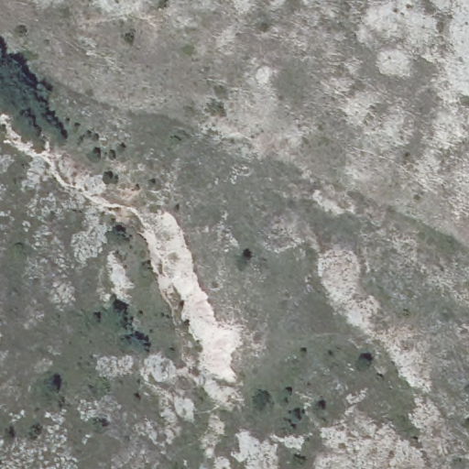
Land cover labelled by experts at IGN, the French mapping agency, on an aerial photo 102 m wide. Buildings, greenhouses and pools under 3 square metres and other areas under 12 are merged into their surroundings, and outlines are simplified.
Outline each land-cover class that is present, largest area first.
<instances>
[{"label":"bare soil","instance_id":"1","mask_svg":"<svg viewBox=\"0 0 469 469\"><path fill-rule=\"evenodd\" d=\"M0 37L4 38L9 53L24 55L27 68L31 73H35L37 79H48L53 84L49 108L57 114L68 132L66 143L60 148L51 132H42L46 143L44 150L37 152L31 143H24L22 136L13 130L11 117L0 114V125H4L7 132L5 143L13 145L31 158L27 176L20 183V191H26L27 187L35 191L33 200L27 203V214L40 220V227L35 233V244L31 240L16 242V247H33L31 255L26 258L24 271L27 278H40V291L48 293L55 308L59 311L70 308L77 317H92L95 313V319H101V308H110L112 300H123L128 306V313L132 317L136 332L145 333L150 339L148 357L143 354H136L134 357L106 355L97 359V372L104 377H117L123 374L143 377V383L139 387V392L134 394V398H148L152 394L158 396L159 409L163 410L161 414L167 420V438L163 442L156 440L152 421L137 423L136 432L130 436V449L114 454L108 462H99L97 469H158L161 456L167 454V445L174 442V436H180L181 429L176 418H194V403L191 398L198 387L205 388V392L214 399L213 405L209 407V429L202 438L205 458L200 464V469H278V447L286 445L289 449H300L304 440L300 436L269 434L264 442H258L249 432H238V453L227 454L222 458L214 453L216 443L220 442V436L224 434V421H220V410L242 409L244 405V396L238 390L244 387V383L236 376L260 365L264 355L269 337L267 322L258 324L253 332L247 330L244 328L247 319L244 308L249 306L256 311H264V306H258V300L266 299L262 293V282L266 280L267 275L264 269L249 264V249L242 251V256L236 258V262L233 258H222V253H229L238 247V240L231 233V227L225 225L229 213H222L218 225L194 227L187 229L185 233L181 231L185 225L191 224L194 209L202 200L196 196H183L176 187L181 161L176 158L174 145L185 141V132L178 130L180 123L196 126L198 137H203L207 130H216L213 137L214 147L222 152L225 150L233 158L255 159L256 156H269L295 165L302 172L304 180L321 181V189L313 194L310 191H299V185L291 183L289 187L293 191V200H313L321 209L332 211L333 214L350 213L354 214L355 218H368L376 225L377 231L359 233V238L363 242H376L381 236L385 242L394 245L398 253H403L410 262L416 264V267H420V271L427 275L431 286L447 288L453 295L454 302L462 306L469 304V0H0ZM121 143H125L126 150L125 154H121L117 159H88V154L93 148L112 150ZM101 211L114 216L119 224L125 225L126 234H130V242L115 244L114 240L106 238L108 225L99 224ZM273 229H280V233L267 234V238H282L284 234H288L291 242L277 247L262 242L260 247L269 253H286L299 244L308 242L315 255L319 256L317 275L321 277L322 286L330 293L332 299L330 304L333 306V319L339 326L335 339L339 344H352L361 352L355 368L365 370L368 366L374 365L379 374H385V368L394 361L398 365L399 376L409 381L410 387H418L429 392L432 365L425 363L421 355L429 352V343L418 341L412 350L405 352L401 350V341H407L412 337V332L407 326H392L385 332H374L370 315L376 313L379 302L376 297H368L357 302L354 300L355 289L359 288L357 278L361 269L354 251L333 245L332 249L324 253L308 220H300L299 214L289 207L282 216H275L271 220ZM366 398V388H363L354 396H346L348 409L341 414V420H335L330 427L322 429V440L328 445V449L315 460V469H451L454 458L447 453V440H453V432L449 431L447 423L440 418V412L432 403H423L421 398L414 399L416 410L409 414V420L416 429H420L421 447L416 449L407 440L399 438L392 423L376 427L374 421L368 420L361 410H357V403ZM121 409V403H117L112 396H103L97 401L81 399L77 412L81 414V420H112V412ZM48 420L53 421V425H48V429L40 432L35 440H0V469H77L79 460L77 456H71V445L66 442L68 429L62 425L66 416L64 409L44 414Z\"/></svg>","mask_w":469,"mask_h":469},{"label":"herbaceous vegetation","instance_id":"2","mask_svg":"<svg viewBox=\"0 0 469 469\"><path fill-rule=\"evenodd\" d=\"M178 130L185 132V141L174 145L176 158L181 161L176 187L183 196H196L202 200L194 209L191 224L185 225L181 231L185 233L187 229L194 227L218 225L222 213H229L225 225L231 227V233L238 240V247L229 253H222V258H233L236 262V258L242 256V251L249 249V264L264 269L267 275L266 280L262 282V293L266 299L258 300V306H264V311H256L249 306L244 308L247 319L244 328L247 330L253 332L258 324L267 322L269 337L264 355L260 365L236 376L244 383V387L238 390L244 396V405L242 409L220 410V421H224V434L220 436V442L216 443L214 453L222 458L227 454L238 453V432H249L258 442H264L269 434L300 436L304 440L300 449H289L286 445L278 447V469H315V460L328 449V445L322 440V429L330 427L335 420H341V414L348 409L346 396H354L363 388H366V398L357 403V410H361L368 420L374 421L376 427L392 423L399 438L407 440L416 449L421 447L420 429H416L409 420V414L416 410L414 399L421 398L423 403H432L440 412V418L447 423L449 431L453 432V440H447V453L454 458L451 469H469V304L462 306L454 302L453 295L447 288L431 286L427 275L420 271V267H416V264L410 262L403 253H398L394 245L385 242L381 236L376 242H363L359 238V233L377 231L376 225L368 218H355L354 214L350 213L333 214L332 211L321 209L313 200H293V191L289 187L291 183L299 185V191H310L313 194L321 189V181L304 180L302 172L295 165L269 156H256L255 159L233 158L225 150L222 152L214 147L213 137L216 130H207L203 137H198L196 126L180 123ZM289 207L299 214L300 220H308L324 253L332 249L333 245L354 251L361 269L357 278L359 288L355 289L354 300L357 302L368 297H376L379 302L376 313L370 315L374 332H385L392 326H407L412 332V337L407 341H401V350L405 352L412 350L418 341L429 343V352L421 355L425 363L432 365L429 392L418 387H410L409 381L399 376L398 365L394 361L385 368V374H379L374 365L368 366L365 370L355 368L361 352L352 344H339L335 339L339 326L333 319V306L330 304L332 299L330 293L322 286L321 277L317 275L319 256L315 255L308 242L299 244L286 253H269L260 247L262 242L277 247L291 242L288 234H284L282 238H267V234L280 233V229H273L271 220L275 216H282ZM7 132L4 125H0V440H35L40 432L48 429V425H53V421L48 420L44 414L64 409L66 416L62 425L68 429L66 442L71 445V456H77L79 460L77 469H97L99 462H108L114 454L130 449V436L136 432L137 423L152 421L156 440L163 442L167 438V420L161 414L163 410L159 409L158 396L152 394L148 398H134V394L139 392V387L143 383V377L123 374L117 377H104L97 372V359L106 355L134 357L136 354H143L148 357L150 339L145 333L136 332L132 317L128 313V306L123 300H112L110 308H101V319H95V313L92 317H77L70 308L59 311L55 308L48 293L40 291V278H27L24 271L26 258L31 255L33 247H16V242L31 240L35 244V233L40 227V220L27 214V203L33 200L35 191L27 187L26 191H20V183L27 176L31 158L13 145L5 143ZM103 396H112L117 403H121V409L112 412V420H81V414L77 412L81 399L97 401ZM126 150L125 143H121L112 150L93 148L88 154V159H117L121 154H125ZM99 224L108 225L106 238L114 240L115 244L130 242V234H126L125 225L119 224L114 216L101 211ZM194 403V418H176L181 429L180 436H174V442L167 445V454L161 456L158 469H200V464L205 458L202 438L209 429V407L213 405L214 399L205 392V388L198 387L191 398Z\"/></svg>","mask_w":469,"mask_h":469},{"label":"coniferous trees","instance_id":"3","mask_svg":"<svg viewBox=\"0 0 469 469\"><path fill-rule=\"evenodd\" d=\"M53 84L48 79H37L35 73H31L27 68L24 55L9 53L4 38L0 37V114L11 117L13 130L22 136L24 143H31L37 152L44 150L46 143L42 132H51L60 148L66 143L68 132L57 114L49 108Z\"/></svg>","mask_w":469,"mask_h":469}]
</instances>
